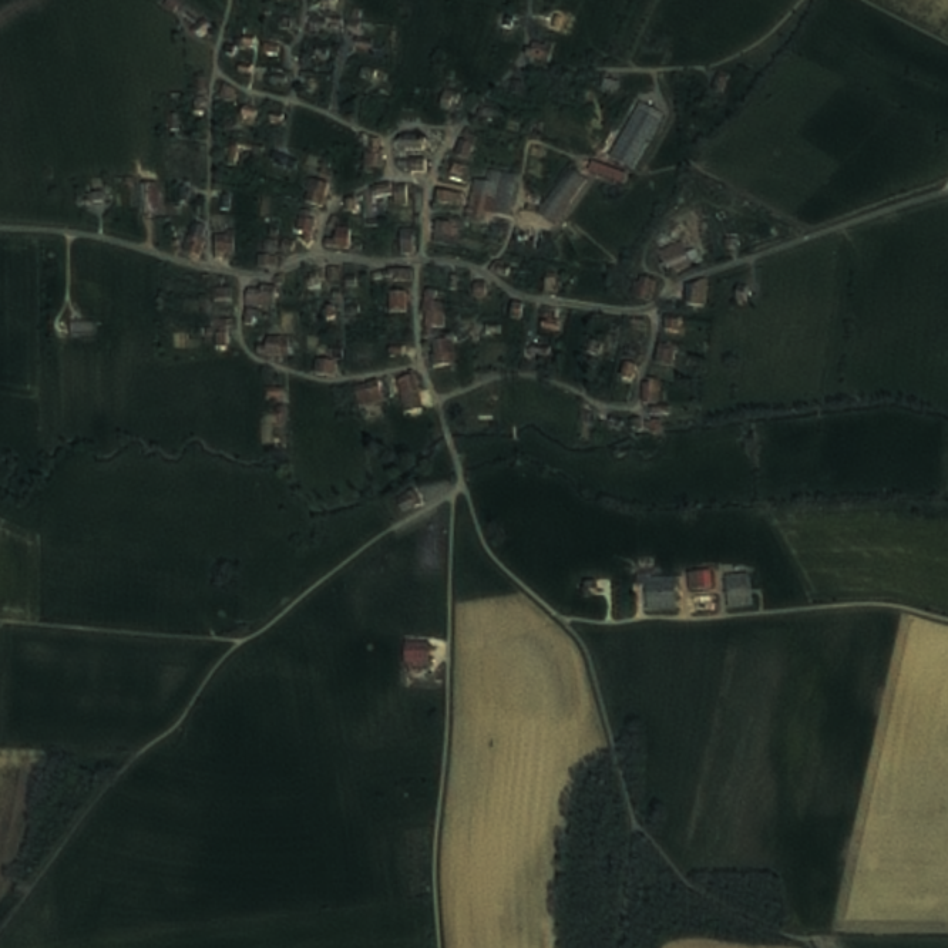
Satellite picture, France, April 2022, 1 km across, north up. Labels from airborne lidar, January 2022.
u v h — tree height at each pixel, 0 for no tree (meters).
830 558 0
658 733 0
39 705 0
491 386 0
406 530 0
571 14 0
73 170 0
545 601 0
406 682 0
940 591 0
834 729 0
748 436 0
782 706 0
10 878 16
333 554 0
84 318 0
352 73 0
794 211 0
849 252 0
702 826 0
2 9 0
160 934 0
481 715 0
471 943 0
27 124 0
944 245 0
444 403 0
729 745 0
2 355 0
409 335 9
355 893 0
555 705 0
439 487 0
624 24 6
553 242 11
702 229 0
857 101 0
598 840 16
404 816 0
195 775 0
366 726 0
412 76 0
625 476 0
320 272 0
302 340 0
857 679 0
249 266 0
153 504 0
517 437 0
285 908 0
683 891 15
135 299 0
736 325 0
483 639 0
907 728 0
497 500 0
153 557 0
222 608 0
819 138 0
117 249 0
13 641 0
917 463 0
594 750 0
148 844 0
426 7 0
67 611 0
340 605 0
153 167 0
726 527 0
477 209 0
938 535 0
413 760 0
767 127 0
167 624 0
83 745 0
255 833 0
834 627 0
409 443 0
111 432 0
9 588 0
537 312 0
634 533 0
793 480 0
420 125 0
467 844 0
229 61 0
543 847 0
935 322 0
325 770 0
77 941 0
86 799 9
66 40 0
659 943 18
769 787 0
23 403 0
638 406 0
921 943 0
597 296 0
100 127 0
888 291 0
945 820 0
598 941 19
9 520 0
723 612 0
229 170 7
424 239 0
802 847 0
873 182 0
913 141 0
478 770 0
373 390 0
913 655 0
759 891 18
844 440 0
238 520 0
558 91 14
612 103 0
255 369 0
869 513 0
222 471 0
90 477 0
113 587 0
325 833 0
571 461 0
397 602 0
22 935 0
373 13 0
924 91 0
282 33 0
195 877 0
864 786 0
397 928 0
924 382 0
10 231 0
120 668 0
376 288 7
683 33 0
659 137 0
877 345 0
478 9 0
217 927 0
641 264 0
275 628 0
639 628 0
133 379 0
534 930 0
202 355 0
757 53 0
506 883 0
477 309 10
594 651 0
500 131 7
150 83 0
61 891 0
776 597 0
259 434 0
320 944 0
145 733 0
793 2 0
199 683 0
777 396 0
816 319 0
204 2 0
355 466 0
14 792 0
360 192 0
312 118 0
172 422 0
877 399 10
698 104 6
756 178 0
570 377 0
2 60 0
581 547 0
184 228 0
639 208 0
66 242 0
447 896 0
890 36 0
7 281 0
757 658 0
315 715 0
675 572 0
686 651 0
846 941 0
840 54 0
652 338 0
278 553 0
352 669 0
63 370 0
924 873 0
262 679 0
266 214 0
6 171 0
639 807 12
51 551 0
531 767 0
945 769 0
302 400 0
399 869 0
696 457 0
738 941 19
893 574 0
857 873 0
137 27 0
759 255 0
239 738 0
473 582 0
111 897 0
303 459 0
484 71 0
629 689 0
